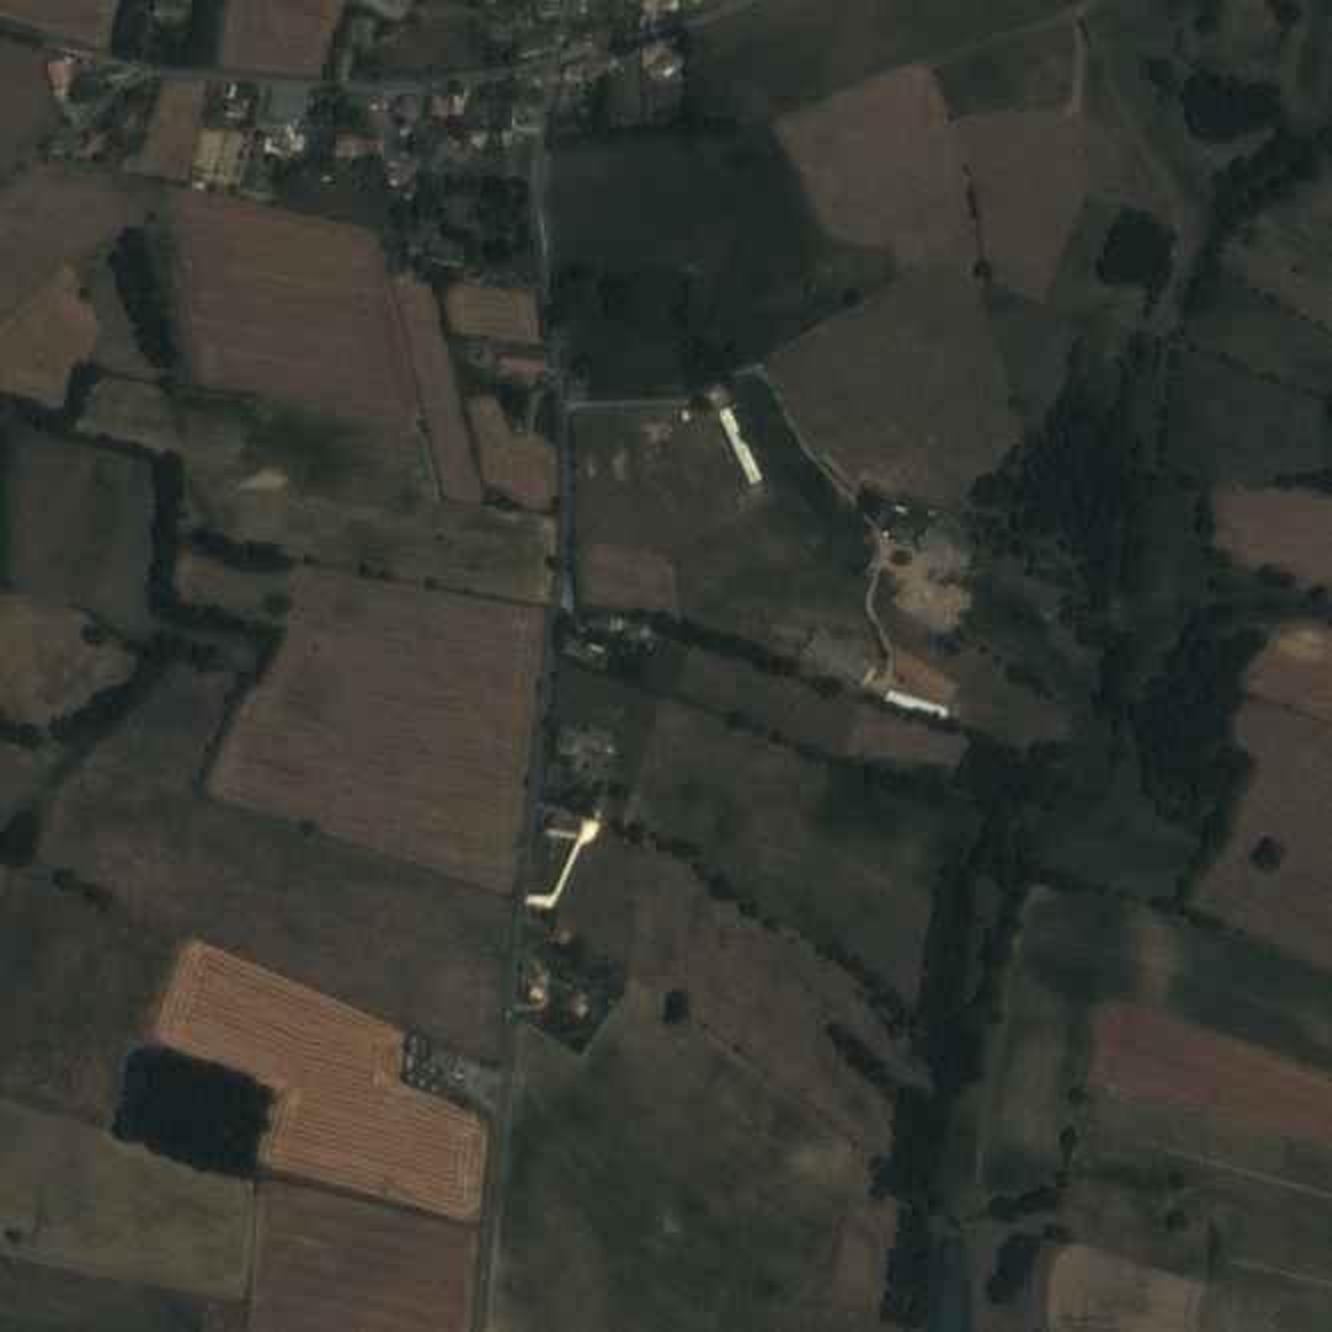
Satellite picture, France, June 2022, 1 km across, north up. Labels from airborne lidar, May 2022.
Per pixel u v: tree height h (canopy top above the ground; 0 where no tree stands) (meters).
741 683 0
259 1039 0
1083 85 0
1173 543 0
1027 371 0
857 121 0
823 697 10
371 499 0
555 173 0
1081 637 13
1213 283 15
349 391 0
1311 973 0
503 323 0
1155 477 18
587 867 0
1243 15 0
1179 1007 0
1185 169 0
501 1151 0
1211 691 20
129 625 0
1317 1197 0
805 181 0
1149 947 0
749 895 0
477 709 0
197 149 0
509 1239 0
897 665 0
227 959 0
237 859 0
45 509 0
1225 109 15
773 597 0
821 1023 0
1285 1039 0
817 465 7
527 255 13
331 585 0
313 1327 0
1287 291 0
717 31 0
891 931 0
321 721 0
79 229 0
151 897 0
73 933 0
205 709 0
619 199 0
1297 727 0
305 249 0
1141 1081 0
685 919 0
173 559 17
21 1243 10
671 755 0
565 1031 6
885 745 0
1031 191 0
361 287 0
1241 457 0
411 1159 0
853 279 0
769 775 0
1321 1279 0
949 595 0
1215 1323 0
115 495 0
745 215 0
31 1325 0
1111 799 0
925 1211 16
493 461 0
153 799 0
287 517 0
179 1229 0
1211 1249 0
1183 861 0
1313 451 0
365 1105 0
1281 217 0
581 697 0
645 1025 0
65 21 0
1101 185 0
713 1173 0
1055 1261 0
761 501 0
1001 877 22
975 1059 17
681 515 0
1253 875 0
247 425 0
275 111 0
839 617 0
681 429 0
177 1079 19
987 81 0
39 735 13
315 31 0
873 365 0
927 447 0
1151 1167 0
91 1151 0
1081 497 21
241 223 0
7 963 0
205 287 0
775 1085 0
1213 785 14
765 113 0
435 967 0
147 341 15
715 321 0
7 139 0
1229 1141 0
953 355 0
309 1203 0
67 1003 0
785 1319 0
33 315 0
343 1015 0
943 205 0
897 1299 13
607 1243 0
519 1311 0
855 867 0
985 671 0
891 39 0
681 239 0
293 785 0
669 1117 0
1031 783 17
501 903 0
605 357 0
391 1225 0
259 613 0
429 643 0
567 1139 0
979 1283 0
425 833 0
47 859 0
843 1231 0
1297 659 0
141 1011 0
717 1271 0
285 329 0
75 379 9
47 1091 0
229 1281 0
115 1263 0
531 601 0
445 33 0
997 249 0
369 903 0
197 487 0
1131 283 18
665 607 0
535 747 0
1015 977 0
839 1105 0
